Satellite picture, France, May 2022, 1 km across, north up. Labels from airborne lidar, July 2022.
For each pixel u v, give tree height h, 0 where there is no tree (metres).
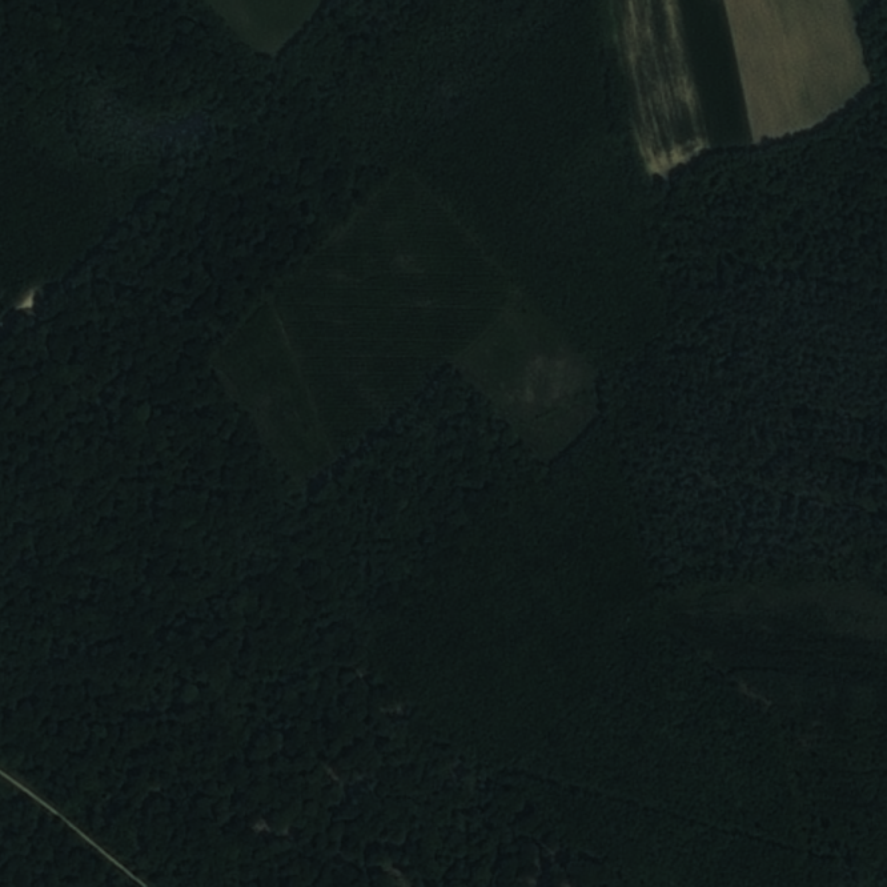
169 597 22
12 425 27
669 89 0
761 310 32
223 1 0
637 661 21
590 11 19
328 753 29
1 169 8
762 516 29
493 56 12
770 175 23
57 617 30
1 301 7
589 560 17
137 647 29
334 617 24
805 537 18
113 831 23
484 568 16
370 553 18
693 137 0
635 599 17
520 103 18
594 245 16
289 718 23
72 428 28
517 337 0
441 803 21
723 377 26
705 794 19
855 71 0
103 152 9
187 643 33
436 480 26
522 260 17
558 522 16
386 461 20
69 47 22
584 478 17
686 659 18
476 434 25
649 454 29
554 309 15
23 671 21
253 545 18
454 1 14
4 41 28
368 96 13
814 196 22
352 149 24
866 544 19
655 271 15
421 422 23
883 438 30
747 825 21
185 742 16
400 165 10
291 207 29
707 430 32
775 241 11
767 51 0
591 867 30
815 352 25
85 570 26
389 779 29
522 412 0
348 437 6
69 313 28
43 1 29
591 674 17
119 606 25
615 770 17
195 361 27
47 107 9
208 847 24
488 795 27
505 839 28
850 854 19
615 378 21
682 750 19
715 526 27
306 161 29
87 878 25
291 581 28
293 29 0
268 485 21
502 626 16
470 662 17
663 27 0
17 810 17
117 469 26
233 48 22
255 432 27
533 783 20
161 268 28
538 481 13
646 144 0
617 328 17
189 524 28
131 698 27
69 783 30
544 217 17
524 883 27
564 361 0
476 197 18
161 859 17
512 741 16
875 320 31
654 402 25
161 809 20
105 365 26
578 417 0
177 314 23
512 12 19
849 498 9
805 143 16
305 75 19
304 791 24
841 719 12
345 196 25
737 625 6
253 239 27
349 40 23
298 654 24
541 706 17
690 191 21
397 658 18
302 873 28
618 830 20
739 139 0
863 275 31
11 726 28
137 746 12
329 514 23
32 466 24
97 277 18
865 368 26
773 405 30
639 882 17
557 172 20
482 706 17
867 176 21
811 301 28
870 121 23
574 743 17
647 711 17
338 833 28
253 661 27
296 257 28
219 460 27
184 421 30
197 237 21
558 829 14
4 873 24
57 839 25
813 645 7
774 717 8
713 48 0
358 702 30
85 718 21
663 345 25
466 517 28
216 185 24
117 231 24
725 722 20
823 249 10
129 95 24
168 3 16
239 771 28
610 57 19
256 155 21
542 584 17
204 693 28
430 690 15
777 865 21
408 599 19
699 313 24
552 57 19
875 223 23
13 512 23
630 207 17
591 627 21
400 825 24
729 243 21
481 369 0
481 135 19
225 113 23
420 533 15
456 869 22
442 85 17
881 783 10
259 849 25
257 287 22
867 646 7
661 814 18
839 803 7
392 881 19
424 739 18
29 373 32
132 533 25
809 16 0
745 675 14
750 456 27
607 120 19
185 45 29
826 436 35
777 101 0
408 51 12
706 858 21
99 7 28
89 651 30
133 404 24
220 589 19
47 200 8
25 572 24
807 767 6
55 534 25
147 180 6
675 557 23
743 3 0
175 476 27
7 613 19
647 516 19
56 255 9
